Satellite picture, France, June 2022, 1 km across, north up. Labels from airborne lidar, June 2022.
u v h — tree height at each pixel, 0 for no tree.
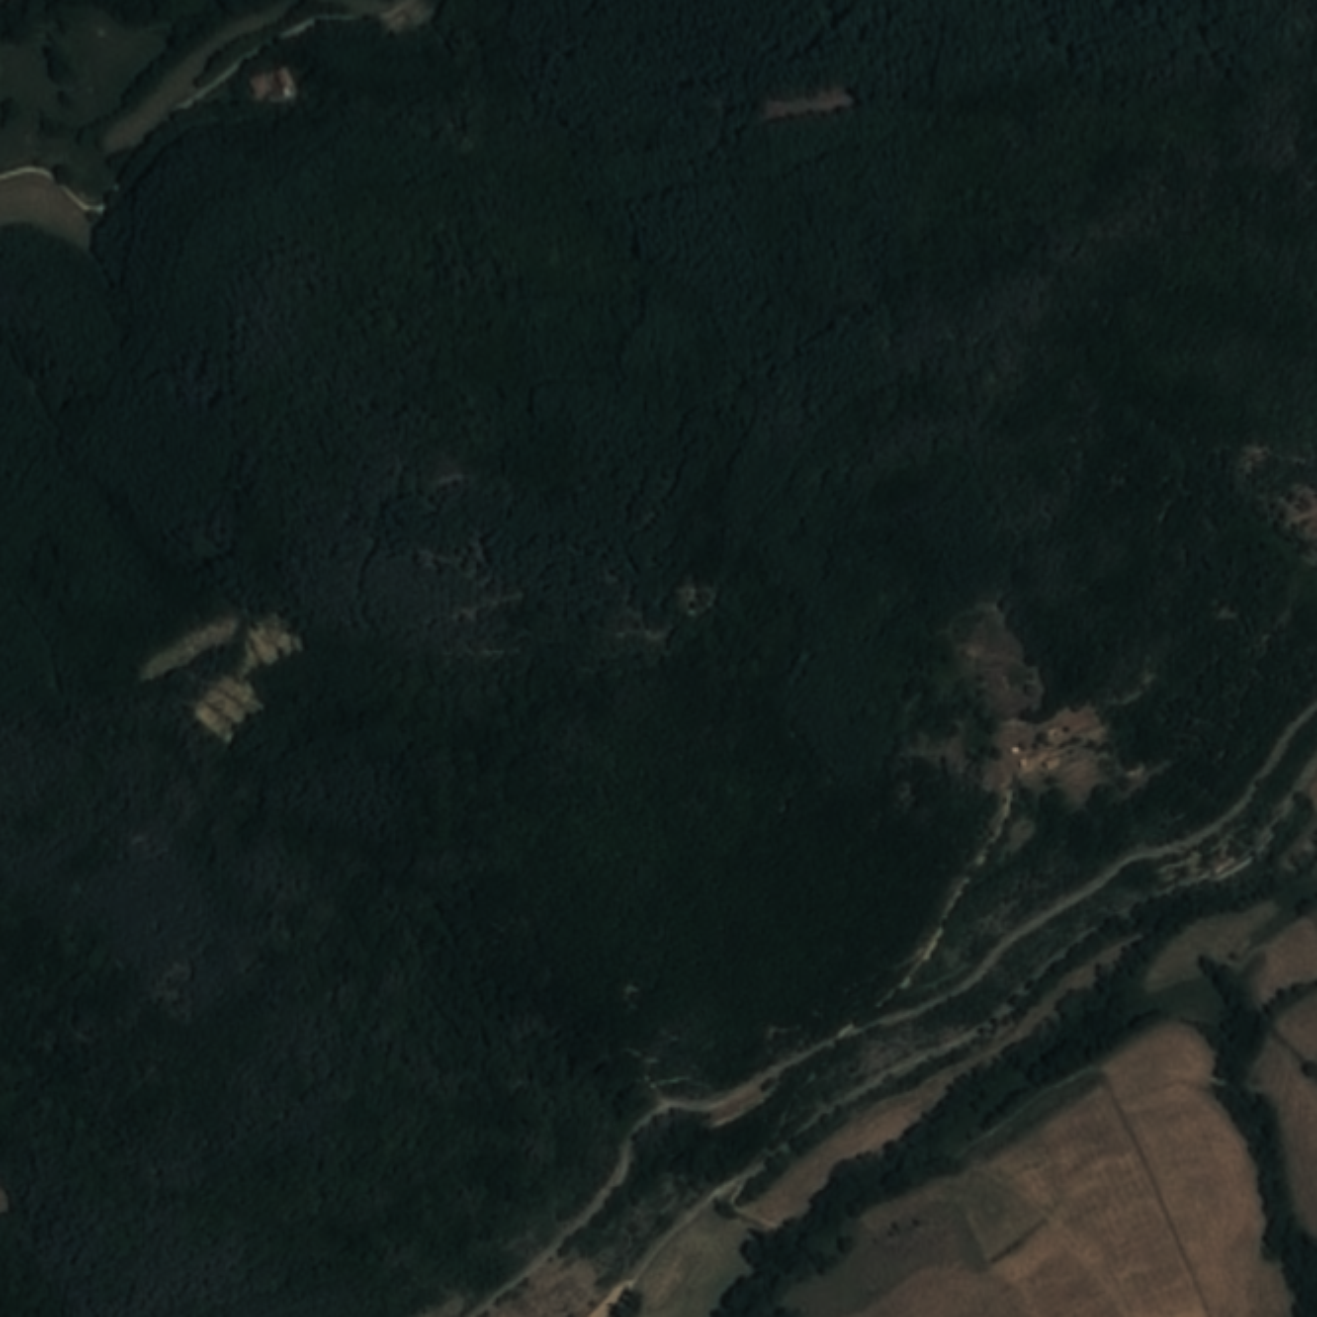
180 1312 9
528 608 10
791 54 26
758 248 22
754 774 15
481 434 14
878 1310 0
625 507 13
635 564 17
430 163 16
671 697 12
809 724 18
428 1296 6
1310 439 8
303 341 14
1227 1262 0
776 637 16
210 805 14
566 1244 9
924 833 19
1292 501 17
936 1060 12
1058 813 18
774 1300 22
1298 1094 0
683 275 24
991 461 15
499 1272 9
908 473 12
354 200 12
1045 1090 8
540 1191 12
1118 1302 0
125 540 16
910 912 16
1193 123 10
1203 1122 0
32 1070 12
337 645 11
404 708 19
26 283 17
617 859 12
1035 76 24
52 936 14
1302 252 15
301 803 23
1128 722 8
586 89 25
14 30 28
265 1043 22
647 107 27
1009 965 10
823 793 14
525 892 10
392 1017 24
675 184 19
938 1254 0
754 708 11
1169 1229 0
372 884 21
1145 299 14
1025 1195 0
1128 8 19
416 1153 20
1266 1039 9
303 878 12
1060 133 12
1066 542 18
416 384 12
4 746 13
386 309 18
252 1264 15
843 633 16
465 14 16
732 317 23
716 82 28
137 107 9
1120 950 0
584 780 10
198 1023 10
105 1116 11
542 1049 22
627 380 18
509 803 16
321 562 18
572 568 24
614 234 19
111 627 14
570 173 15
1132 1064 0
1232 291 14
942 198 17
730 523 21
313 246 14
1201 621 16
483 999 18
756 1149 10
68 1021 8
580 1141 11
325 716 14
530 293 17
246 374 9
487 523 17
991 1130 12
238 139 13
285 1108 10
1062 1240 0
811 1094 7
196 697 13
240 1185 15
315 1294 13
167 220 17
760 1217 0
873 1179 28
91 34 0
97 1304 19
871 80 27
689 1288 0
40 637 13
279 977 10
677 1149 24
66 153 0
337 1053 13
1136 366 21
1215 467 15
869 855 18
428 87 14
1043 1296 0
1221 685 5
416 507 20
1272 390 12
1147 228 7
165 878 17
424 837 18
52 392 13
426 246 16
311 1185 13
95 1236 19
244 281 17
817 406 24
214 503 23
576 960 14
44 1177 11
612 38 20
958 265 12
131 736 17
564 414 20
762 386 15
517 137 20
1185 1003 0
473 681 11
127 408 26
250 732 18
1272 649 12
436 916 27
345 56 17
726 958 10
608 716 15
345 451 16
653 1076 8
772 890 12
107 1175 17
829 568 14
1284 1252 6
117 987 13
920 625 14
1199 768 13
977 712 10
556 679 9
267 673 7
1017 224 14
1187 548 15
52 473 13
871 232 14
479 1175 19
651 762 6
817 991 13
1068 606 16
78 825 18
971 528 19
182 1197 14
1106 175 7
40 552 17
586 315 16
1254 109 14
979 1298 0
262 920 8
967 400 10
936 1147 24
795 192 19
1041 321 7
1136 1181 0
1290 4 15
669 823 15
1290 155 12
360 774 20
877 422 15
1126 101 13
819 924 17
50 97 0
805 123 17
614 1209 12
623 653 6
